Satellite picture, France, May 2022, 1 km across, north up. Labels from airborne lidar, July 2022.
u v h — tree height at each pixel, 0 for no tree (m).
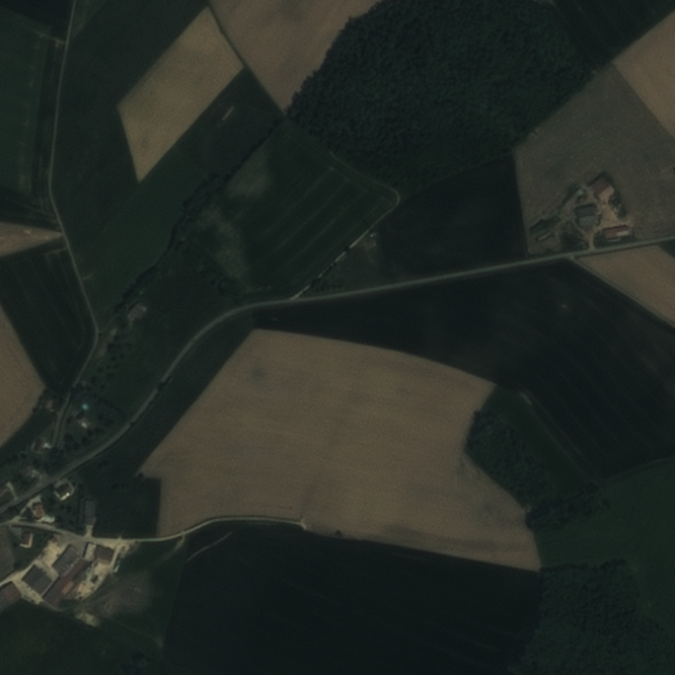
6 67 0
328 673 0
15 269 0
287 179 0
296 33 0
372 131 23
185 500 0
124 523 0
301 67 0
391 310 0
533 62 10
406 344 0
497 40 21
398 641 0
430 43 13
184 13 0
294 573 0
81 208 0
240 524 0
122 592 0
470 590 0
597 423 0
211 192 20
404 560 0
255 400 0
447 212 0
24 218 0
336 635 0
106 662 0
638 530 0
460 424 0
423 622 0
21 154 0
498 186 0
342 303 0
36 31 0
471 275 0
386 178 11
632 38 0
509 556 0
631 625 25
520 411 0
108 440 0
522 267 0
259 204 0
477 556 0
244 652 0
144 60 0
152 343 0
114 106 0
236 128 0
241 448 0
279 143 0
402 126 20
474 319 0
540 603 13
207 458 0
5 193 0
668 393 0
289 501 0
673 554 0
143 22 0
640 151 0
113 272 0
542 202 0
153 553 0
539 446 0
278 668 0
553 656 24
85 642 0
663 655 27
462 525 0
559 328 0
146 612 0
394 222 0
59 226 0
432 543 0
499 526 0
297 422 0
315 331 0
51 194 0
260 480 0
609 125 0
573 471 0
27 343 0
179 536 0
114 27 0
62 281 0
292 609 0
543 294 0
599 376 0
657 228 0
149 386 0
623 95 0
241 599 0
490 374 0
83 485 8
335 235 0
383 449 0
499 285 0
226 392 0
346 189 0
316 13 0
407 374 0
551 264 0
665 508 0
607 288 0
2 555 0
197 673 0
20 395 0
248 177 0
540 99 23
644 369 0
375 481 0
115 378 7
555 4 0
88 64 0
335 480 0
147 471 0
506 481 23
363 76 28
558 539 0
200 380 0
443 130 17
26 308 0
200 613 0
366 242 0
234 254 0
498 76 22
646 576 0
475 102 27
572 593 23
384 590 0
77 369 0
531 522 22
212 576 0
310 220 0
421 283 0
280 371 0
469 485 0
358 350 0
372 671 0
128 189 0
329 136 20
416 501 0
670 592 0
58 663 0
